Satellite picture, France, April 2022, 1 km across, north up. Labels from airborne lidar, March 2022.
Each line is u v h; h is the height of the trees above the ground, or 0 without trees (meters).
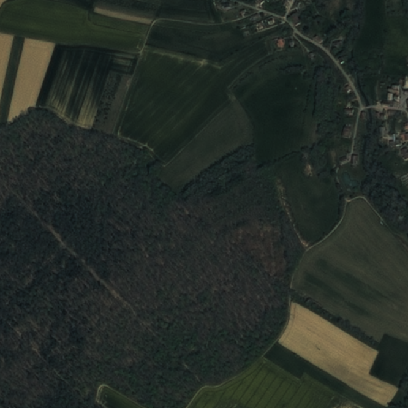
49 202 25
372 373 0
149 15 0
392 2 0
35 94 0
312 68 0
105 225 29
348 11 12
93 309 26
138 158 26
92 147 28
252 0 6
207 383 24
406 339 0
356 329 13
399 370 0
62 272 23
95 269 30
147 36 0
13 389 26
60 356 27
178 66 0
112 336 27
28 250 20
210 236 25
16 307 27
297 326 0
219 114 0
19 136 20
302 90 0
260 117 0
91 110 0
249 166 23
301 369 0
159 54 0
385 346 0
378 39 0
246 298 27
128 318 26
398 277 0
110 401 0
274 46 0
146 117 0
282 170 0
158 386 26
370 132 20
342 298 0
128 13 0
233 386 0
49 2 0
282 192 0
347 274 0
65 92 0
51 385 26
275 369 0
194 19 0
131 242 27
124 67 0
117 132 0
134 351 27
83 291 24
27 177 24
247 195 19
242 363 26
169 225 27
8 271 26
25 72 0
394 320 0
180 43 0
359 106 0
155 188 25
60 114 0
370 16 0
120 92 0
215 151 0
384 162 0
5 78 0
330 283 0
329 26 0
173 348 24
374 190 22
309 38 0
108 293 27
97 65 0
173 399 20
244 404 0
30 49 0
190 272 23
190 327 28
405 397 0
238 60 0
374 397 0
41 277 24
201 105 0
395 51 0
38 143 29
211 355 28
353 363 0
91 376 27
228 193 14
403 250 0
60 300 13
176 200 24
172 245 27
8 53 0
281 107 0
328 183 10
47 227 28
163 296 26
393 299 0
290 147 0
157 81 0
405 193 0
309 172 0
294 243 31
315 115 12
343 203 17
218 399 0
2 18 0
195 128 0
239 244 6
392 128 0
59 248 21
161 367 25
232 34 0
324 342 0
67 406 26
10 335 28
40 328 23
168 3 0
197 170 0
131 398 0
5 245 26
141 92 0
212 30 0
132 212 28
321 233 0
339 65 0
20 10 0
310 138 0
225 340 27
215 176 19
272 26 0
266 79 0
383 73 0
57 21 0
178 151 0
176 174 0
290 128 0
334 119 22
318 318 0
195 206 25
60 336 26
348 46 18
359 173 0
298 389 0
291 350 0
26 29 0
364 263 0
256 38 0
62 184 27
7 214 24
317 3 8
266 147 0
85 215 29
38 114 24
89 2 0
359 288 0
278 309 27
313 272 0
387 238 0
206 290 26
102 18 0
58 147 28
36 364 24
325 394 0
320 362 0
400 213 29
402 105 0
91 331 8
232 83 0
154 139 0
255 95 0
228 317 28
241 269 26
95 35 0
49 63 0
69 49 0
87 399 27
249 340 22
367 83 0
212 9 0
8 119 0
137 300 24
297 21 0
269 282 28
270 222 20
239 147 0
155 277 27
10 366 26
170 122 0
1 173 26
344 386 0
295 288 0
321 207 0
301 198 0
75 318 27
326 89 18
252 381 0
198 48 0
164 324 23
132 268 27
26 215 8
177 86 0
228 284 25
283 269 7
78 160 25
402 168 0
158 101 0
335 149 0
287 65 0
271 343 19
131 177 26
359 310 0
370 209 0
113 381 27
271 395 0
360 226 0
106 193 26
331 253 0
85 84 0
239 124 0
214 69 0
